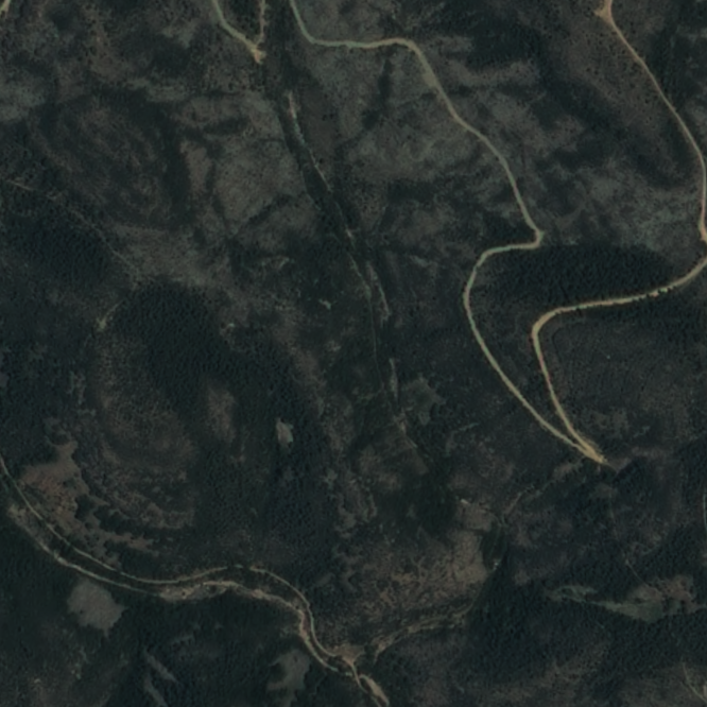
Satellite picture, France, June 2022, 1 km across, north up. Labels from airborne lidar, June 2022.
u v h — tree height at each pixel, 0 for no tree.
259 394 10
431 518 6
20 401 7
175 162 6
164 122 7
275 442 7
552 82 6
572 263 14
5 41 11
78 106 0
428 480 6
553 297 14
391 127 0
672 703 0
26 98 0
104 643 8
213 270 0
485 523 0
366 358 8
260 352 11
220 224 0
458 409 7
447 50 0
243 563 10
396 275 0
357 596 7
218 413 0
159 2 12
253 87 8
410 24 0
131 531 7
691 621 11
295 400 11
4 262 0
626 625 6
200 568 8
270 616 7
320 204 12
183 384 15
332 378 10
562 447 7
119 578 8
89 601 0
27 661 7
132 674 10
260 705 7
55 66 0
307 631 0
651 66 8
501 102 0
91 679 10
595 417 7
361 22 0
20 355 12
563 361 7
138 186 0
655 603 0
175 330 12
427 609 5
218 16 0
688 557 12
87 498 7
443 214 0
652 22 0
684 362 7
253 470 10
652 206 0
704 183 0
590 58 0
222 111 0
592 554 7
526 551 6
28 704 6
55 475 0
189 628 7
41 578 10
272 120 0
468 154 0
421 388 0
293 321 0
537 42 7
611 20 0
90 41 0
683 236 0
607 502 11
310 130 0
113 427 0
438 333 12
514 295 10
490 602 8
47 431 8
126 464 0
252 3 16
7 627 7
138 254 0
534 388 10
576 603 9
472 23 6
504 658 9
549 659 14
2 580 6
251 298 0
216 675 9
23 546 6
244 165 0
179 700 12
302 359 0
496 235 8
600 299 14
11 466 6
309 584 8
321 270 7
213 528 8
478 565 0
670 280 13
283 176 0
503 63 8
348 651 0
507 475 0
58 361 6
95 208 8
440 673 0
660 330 9
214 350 10
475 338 7
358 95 0
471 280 0
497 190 0
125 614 9
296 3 0
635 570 7
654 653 9
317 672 15
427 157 0
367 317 7
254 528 13
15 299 12
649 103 7
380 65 0
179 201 6
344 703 6
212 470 12
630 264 14
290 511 10
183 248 0
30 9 10
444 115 0
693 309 8
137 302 11
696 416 8
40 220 10
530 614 7
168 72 6
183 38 0
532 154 0
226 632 7
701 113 0
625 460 0
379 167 0
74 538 8
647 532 0
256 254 6
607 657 8
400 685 6
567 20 0
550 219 0
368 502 6
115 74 0
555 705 0
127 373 7
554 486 10
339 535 7
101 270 8
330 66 0
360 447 7
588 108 7
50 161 7
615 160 0
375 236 0
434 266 0
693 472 8
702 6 9
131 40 8
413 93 0
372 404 7
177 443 0
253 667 12
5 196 8
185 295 12
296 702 8
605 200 0
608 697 8
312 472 14
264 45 13
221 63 7
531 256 9
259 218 12
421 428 9
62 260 12
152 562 6
